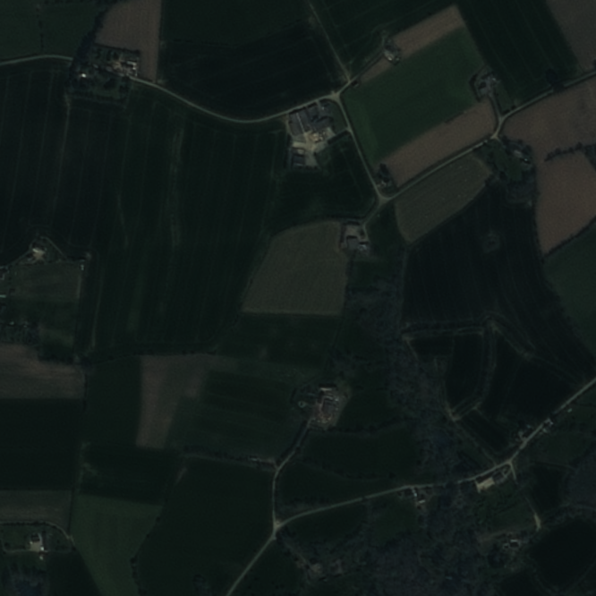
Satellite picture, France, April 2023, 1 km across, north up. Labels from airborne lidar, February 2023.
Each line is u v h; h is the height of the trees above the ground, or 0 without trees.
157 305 0
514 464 0
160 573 0
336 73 0
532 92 0
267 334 0
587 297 0
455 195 0
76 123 0
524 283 0
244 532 0
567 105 0
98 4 15
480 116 0
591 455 15
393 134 0
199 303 0
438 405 11
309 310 0
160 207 0
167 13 0
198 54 0
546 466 0
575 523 0
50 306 0
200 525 0
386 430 10
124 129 0
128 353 0
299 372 0
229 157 0
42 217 0
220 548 0
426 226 0
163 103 0
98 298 0
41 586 22
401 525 0
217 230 0
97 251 0
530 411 0
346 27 0
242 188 0
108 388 0
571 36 0
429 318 0
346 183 0
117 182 0
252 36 0
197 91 0
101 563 0
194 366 0
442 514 21
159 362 0
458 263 0
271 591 0
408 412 10
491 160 9
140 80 0
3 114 0
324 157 0
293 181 0
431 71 0
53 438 0
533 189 14
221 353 0
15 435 0
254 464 8
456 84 0
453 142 0
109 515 0
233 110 0
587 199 0
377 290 8
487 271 0
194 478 0
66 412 0
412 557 21
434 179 0
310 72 0
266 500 0
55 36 0
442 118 0
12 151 0
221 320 0
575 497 18
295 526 0
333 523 0
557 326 0
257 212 0
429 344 0
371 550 14
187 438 0
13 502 0
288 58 0
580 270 0
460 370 0
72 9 0
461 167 0
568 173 0
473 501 11
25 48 0
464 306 0
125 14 0
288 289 0
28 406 0
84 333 0
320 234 0
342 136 6
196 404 0
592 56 0
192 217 0
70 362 12
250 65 0
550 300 0
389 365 10
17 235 0
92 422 0
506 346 0
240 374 0
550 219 0
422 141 0
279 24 0
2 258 0
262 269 0
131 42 0
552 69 0
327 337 0
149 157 0
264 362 0
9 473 0
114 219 0
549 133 0
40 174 0
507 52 0
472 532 14
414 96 0
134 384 0
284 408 0
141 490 0
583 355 0
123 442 0
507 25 0
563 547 0
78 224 0
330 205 0
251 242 0
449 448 15
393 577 23
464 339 0
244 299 0
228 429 0
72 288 0
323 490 0
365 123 0
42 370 0
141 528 0
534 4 0
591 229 6
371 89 0
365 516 6
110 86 10
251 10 0
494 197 0
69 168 0
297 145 0
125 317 0
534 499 0
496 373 0
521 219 0
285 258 0
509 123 0
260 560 0
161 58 0
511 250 0
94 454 0
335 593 0
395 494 0
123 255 0
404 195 0
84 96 10
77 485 0
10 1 0
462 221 0
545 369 0
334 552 6
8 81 0
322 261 0
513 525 0
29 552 0
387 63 0
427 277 0
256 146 0
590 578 0
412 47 0
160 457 0
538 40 0
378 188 0
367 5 0
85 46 18
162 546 0
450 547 9
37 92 0
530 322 0
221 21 0
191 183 0
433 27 0
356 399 0
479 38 0
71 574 0
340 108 0
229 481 0
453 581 24
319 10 0
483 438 0
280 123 0
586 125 0
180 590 0
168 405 0
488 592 19
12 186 0
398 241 0
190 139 0
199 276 0
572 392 0
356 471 0
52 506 0
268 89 0
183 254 0
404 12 0
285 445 0
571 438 0
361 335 0
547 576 0
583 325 0
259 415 0
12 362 0
